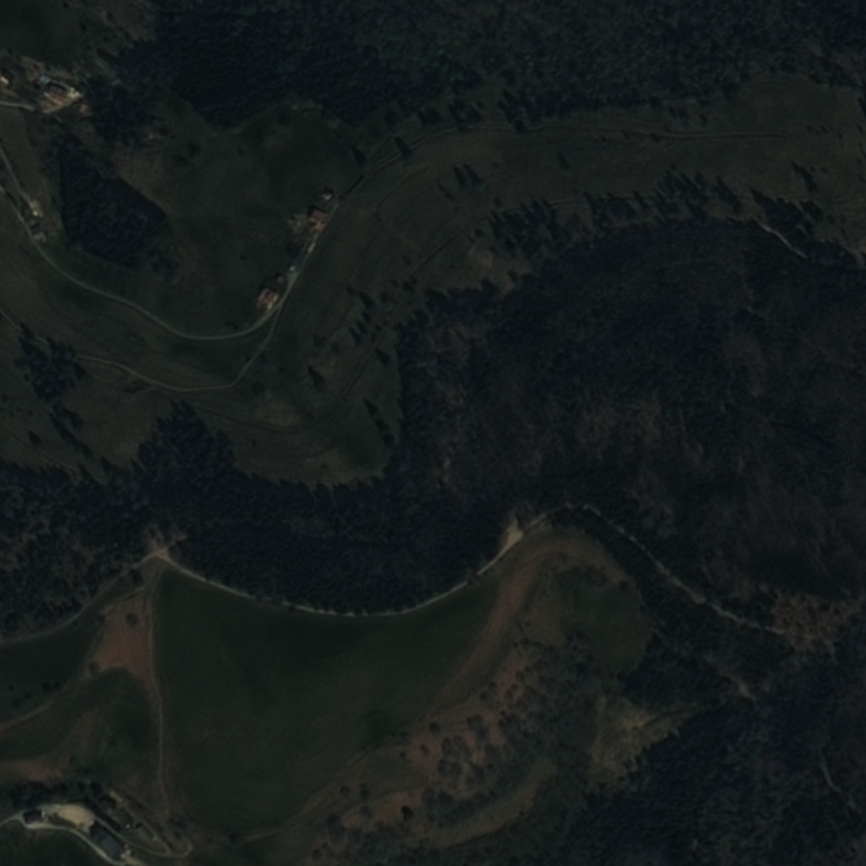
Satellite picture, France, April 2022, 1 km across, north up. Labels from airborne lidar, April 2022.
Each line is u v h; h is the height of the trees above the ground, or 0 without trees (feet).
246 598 0
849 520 38
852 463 43
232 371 0
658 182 0
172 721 0
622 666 0
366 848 36
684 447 50
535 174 0
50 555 90
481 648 0
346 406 0
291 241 0
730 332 73
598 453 55
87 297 0
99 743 0
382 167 0
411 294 28
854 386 54
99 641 0
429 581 68
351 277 0
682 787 94
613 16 64
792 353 54
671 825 82
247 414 0
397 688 0
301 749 0
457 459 54
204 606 0
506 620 0
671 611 54
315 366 0
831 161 0
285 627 0
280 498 90
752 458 39
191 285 0
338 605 66
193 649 0
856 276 43
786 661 41
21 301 0
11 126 0
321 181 0
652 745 0
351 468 0
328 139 0
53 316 0
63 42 0
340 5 73
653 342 64
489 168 0
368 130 0
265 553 94
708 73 76
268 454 0
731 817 97
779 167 0
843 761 44
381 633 0
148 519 65
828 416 46
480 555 77
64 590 83
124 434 0
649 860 103
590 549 0
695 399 78
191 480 50
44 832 0
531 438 42
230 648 0
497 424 60
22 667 0
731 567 51
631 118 0
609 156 0
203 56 56
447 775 65
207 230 0
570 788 67
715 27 61
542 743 77
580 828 62
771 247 45
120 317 0
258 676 0
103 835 0
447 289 0
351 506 93
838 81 61
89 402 0
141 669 0
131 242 99
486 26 73
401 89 82
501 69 84
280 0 78
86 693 0
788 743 65
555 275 43
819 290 45
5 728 0
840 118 0
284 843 0
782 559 39
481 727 50
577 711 35
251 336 0
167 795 0
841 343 44
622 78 59
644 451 56
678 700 92
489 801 74
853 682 69
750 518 52
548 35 39
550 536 0
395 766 0
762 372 45
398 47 86
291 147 0
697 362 92
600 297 44
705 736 101
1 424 0
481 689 0
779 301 48
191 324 0
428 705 0
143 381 0
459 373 92
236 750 0
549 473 67
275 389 0
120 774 0
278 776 0
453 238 0
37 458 0
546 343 43
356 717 0
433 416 95
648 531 39
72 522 73
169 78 82
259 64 75
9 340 0
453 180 0
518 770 73
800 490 41
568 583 0
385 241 0
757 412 39
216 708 0
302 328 0
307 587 80
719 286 41
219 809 0
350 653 0
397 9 48
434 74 73
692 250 49
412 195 0
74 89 0
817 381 47
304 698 0
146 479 33
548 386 60
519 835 51
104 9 0
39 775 0
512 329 31
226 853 0
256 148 0
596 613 0
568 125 0
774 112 0
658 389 67
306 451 0
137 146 62
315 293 0
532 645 50
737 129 0
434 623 0
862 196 0
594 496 64
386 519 87
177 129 0
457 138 0
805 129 0
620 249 41
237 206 0
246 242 0
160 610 0
